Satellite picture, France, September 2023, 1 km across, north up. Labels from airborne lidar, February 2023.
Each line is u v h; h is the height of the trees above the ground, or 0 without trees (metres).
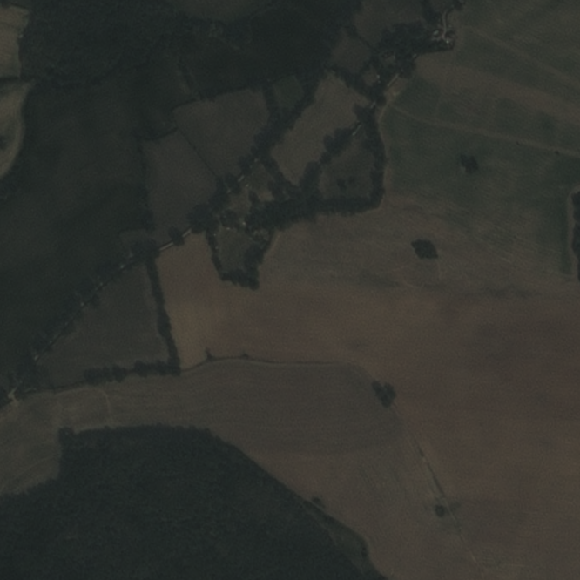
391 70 7
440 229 0
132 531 21
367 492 0
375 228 0
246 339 0
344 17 20
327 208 17
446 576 0
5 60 0
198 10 0
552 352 0
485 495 0
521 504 0
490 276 0
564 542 0
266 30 0
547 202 0
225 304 0
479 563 0
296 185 0
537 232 0
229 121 0
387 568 0
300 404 0
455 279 0
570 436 0
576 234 11
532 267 0
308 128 0
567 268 0
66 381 0
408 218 0
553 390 0
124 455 24
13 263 0
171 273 0
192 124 0
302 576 21
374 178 18
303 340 0
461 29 0
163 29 21
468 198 0
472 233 0
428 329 0
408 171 0
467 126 0
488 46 0
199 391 0
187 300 0
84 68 27
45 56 20
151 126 0
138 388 0
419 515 0
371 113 9
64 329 18
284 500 15
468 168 21
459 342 0
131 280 0
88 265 0
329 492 0
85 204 0
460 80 0
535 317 0
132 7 18
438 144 0
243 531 16
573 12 0
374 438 0
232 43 14
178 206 0
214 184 0
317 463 0
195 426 0
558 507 0
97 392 0
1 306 0
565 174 0
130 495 18
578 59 0
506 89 0
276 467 0
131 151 0
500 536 0
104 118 0
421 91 0
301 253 0
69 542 24
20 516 19
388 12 0
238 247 0
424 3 10
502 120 0
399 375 0
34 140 0
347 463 0
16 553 16
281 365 0
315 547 22
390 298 0
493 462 0
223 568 20
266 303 0
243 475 22
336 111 0
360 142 0
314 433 0
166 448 16
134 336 0
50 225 0
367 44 7
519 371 0
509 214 0
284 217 17
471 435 0
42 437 0
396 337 0
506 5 0
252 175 0
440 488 0
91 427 0
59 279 0
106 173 0
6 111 0
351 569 13
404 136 0
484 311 0
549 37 0
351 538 0
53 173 0
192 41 0
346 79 17
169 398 0
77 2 19
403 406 0
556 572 0
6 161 0
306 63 0
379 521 0
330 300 0
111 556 21
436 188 0
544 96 0
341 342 0
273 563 23
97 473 9
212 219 20
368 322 0
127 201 0
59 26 21
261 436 0
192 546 17
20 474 0
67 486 14
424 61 0
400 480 0
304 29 0
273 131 18
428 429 0
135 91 0
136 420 0
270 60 0
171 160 0
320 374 0
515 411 0
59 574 23
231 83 0
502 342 0
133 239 0
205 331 0
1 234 0
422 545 0
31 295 0
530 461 0
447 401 0
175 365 16
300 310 0
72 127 0
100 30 27
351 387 0
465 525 0
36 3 20
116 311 0
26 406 0
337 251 0
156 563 23
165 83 0
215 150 0
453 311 0
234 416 0
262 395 0
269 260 0
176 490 19
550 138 0
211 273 0
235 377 0
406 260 0
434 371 0
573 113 0
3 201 8
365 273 0
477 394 0
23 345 0
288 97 0
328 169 0
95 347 0
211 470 20
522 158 0
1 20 0
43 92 20
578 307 0
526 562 0
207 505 15
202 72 0
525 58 0
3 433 0
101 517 21
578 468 0
